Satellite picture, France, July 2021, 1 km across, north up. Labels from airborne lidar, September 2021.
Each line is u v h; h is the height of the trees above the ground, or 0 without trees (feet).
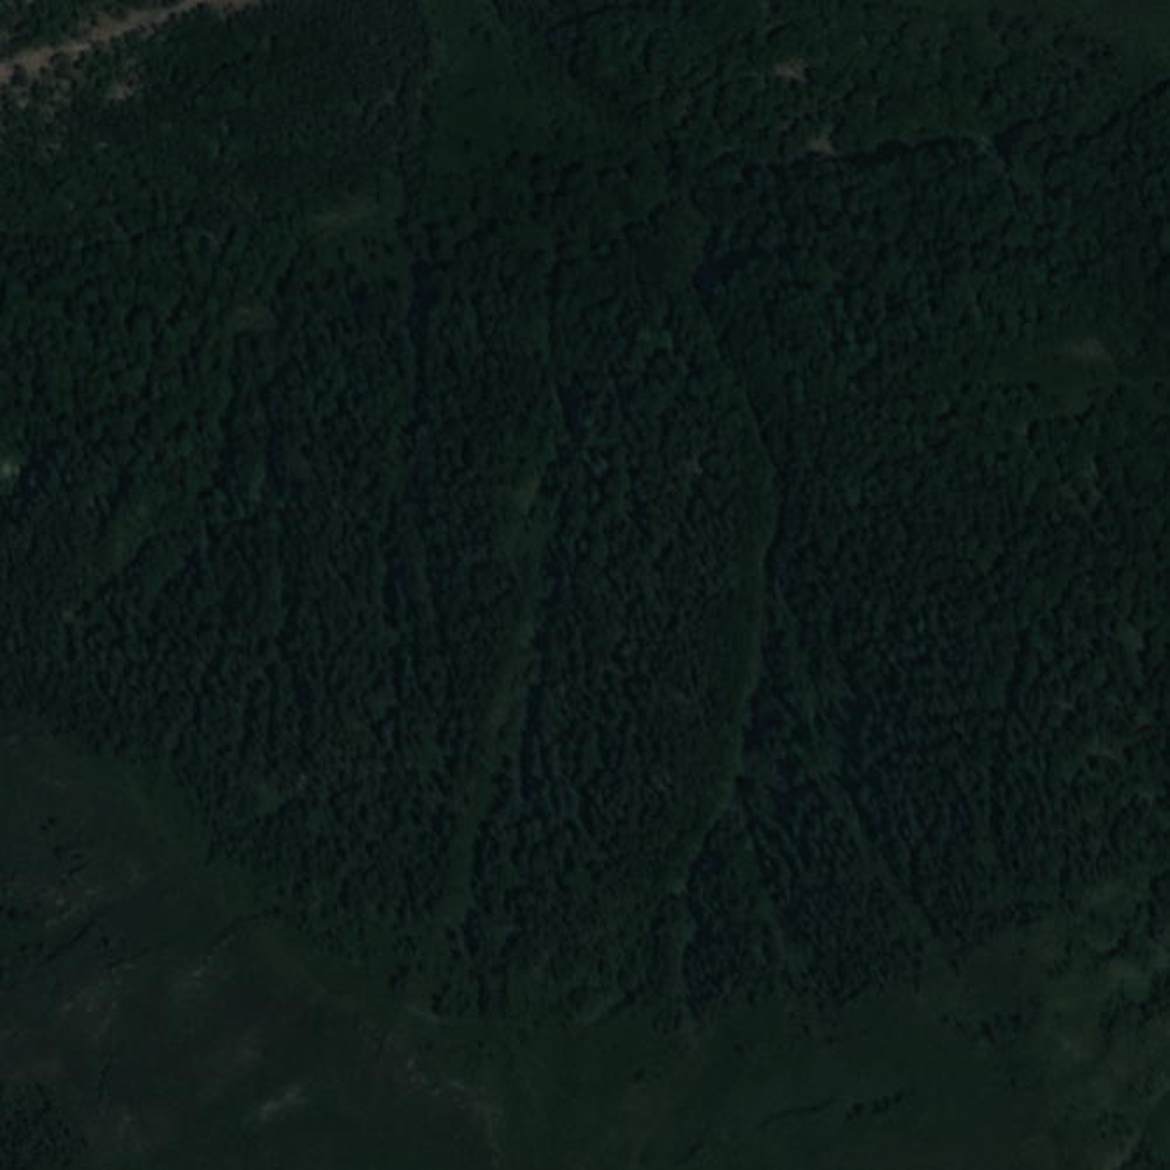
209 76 58
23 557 32
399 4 72
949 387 78
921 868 53
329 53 63
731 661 54
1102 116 29
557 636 37
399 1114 0
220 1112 0
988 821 43
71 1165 38
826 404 75
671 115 49
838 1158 0
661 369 82
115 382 111
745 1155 0
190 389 73
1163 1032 0
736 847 51
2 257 61
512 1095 0
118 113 66
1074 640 82
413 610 61
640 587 70
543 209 42
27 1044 0
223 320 116
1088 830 68
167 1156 0
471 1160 0
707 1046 0
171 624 90
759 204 61
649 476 89
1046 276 73
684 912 32
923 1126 0
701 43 73
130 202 97
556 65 29
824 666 55
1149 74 31
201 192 82
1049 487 63
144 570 50
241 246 85
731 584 86
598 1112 0
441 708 36
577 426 88
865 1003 0
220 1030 0
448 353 61
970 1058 0
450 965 20
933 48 41
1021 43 55
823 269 97
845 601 76
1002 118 52
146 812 0
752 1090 0
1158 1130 0
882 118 91
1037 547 72
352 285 77
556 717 67
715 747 42
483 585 78
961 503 68
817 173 122
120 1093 0
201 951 0
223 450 40
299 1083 0
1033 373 0
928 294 86
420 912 59
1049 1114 0
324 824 38
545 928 44
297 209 74
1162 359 60
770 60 79
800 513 52
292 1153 0
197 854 0
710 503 81
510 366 72
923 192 53
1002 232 57
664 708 54
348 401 69
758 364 57
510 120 25
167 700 52
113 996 0
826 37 84
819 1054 0
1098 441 100
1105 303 76
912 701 62
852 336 73
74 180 70
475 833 0
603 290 93
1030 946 0
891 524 80
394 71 74
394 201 0
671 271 100
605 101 27
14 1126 29
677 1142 0
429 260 25
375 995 0
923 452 52
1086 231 71
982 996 0
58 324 73
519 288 109
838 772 30
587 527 56
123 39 71
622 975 66
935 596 62
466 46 0
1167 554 84
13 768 0
